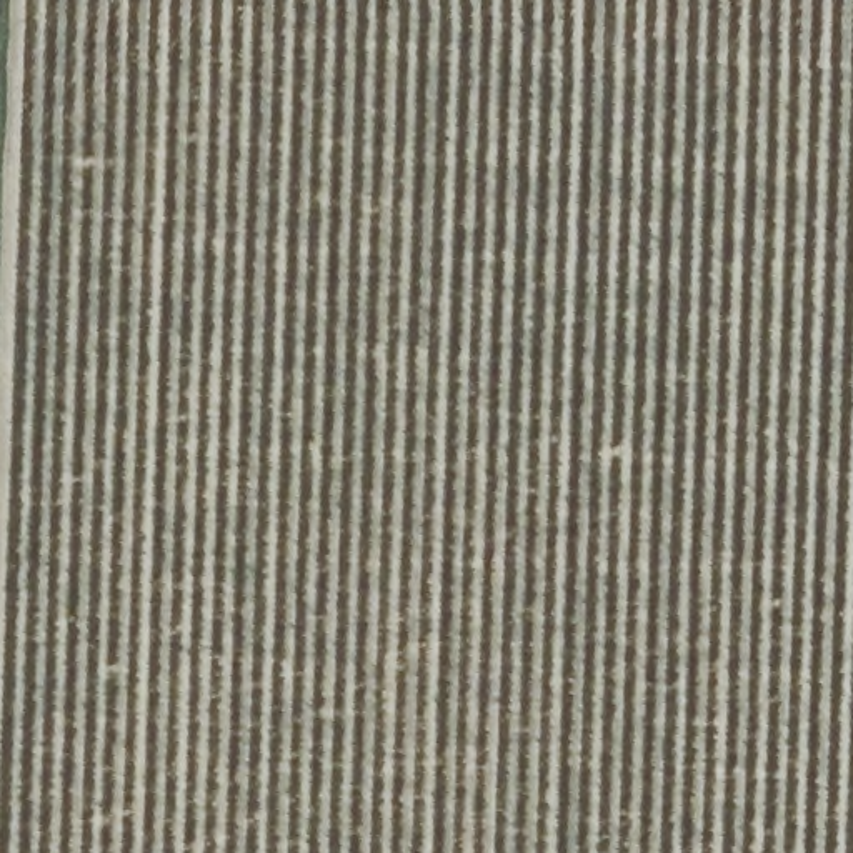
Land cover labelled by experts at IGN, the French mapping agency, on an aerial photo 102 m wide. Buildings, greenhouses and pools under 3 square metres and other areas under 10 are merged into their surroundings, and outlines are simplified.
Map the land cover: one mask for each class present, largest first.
<instances>
[{"label":"vineyard","instance_id":"1","mask_svg":"<svg viewBox=\"0 0 853 853\"><path fill-rule=\"evenodd\" d=\"M0 853H853V0H0Z\"/></svg>","mask_w":853,"mask_h":853}]
</instances>
